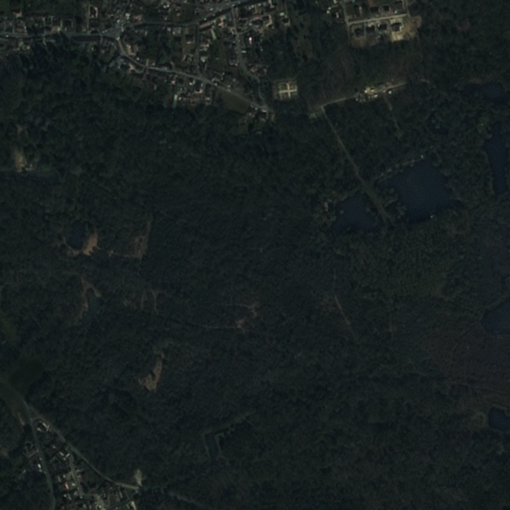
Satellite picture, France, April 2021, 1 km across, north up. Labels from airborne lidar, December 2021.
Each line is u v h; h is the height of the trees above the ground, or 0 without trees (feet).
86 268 66
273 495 79
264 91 45
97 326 40
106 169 83
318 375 49
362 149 101
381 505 58
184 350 26
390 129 27
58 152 56
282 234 49
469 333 0
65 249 32
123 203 64
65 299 65
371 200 49
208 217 23
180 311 20
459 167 56
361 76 69
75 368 56
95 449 95
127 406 76
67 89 56
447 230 0
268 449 78
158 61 25
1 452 39
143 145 71
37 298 59
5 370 123
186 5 0
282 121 66
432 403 67
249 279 56
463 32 22
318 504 71
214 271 44
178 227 44
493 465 81
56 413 83
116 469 73
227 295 18
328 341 19
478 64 48
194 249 42
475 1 82
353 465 76
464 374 0
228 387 62
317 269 30
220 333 29
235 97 0
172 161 20
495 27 95
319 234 61
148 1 0
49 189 66
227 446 64
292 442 80
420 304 39
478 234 27
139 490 0
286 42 63
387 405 84
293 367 69
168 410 39
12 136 68
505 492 73
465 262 0
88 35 0
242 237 27
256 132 30
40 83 98
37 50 56
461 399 66
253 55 0
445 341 0
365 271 0
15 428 51
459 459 67
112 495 0
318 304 18
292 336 52
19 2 28
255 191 61
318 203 90
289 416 70
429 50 49
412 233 0
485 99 51
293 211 62
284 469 74
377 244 0
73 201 54
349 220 0
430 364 24
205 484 61
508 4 97
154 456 65
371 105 18
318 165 20
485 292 20
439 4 68
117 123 70
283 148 80
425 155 18
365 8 56
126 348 21
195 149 106
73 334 42
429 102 61
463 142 30
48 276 67
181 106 22
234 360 59
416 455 85
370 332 67
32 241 66
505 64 70
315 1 25
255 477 61
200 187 20
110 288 42
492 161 0
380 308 63
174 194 23
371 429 91
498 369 0
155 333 24
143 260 20
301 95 56
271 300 26
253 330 19
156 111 76
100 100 95
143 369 24
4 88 130
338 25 61
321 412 72
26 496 66
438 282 0
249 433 72
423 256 0
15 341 0
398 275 0
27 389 0
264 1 0
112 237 18
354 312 29
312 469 85
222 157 71
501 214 20
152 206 44
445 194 0
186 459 78
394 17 0
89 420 71
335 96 21
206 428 75
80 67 35
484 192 22
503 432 0
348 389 63
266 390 83
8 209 101
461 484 79
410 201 0
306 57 52
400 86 0
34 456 0
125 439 87
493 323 0
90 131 85
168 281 18
